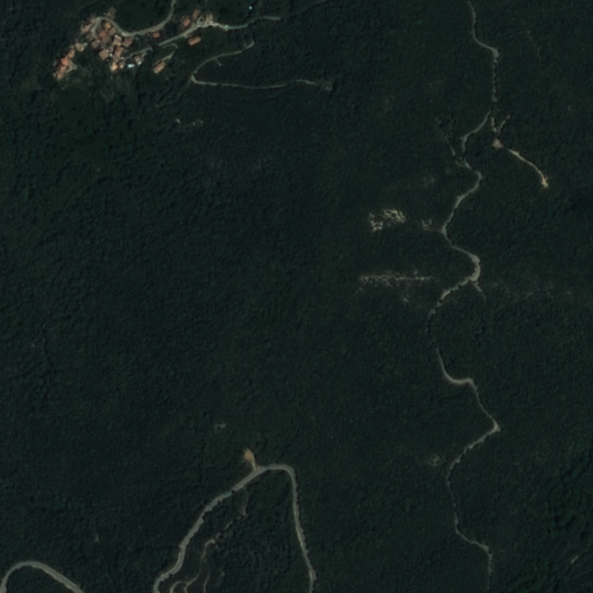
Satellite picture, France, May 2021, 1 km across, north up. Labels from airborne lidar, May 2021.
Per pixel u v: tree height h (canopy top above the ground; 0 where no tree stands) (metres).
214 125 5
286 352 18
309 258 9
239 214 17
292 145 9
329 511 8
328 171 9
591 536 15
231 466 8
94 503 12
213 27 10
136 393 8
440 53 9
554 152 7
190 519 7
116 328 13
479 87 9
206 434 9
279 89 8
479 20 11
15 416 11
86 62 8
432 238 6
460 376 16
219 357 15
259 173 7
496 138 14
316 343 12
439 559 11
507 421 9
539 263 6
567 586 16
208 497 8
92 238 11
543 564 12
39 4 17
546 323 18
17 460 9
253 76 8
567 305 6
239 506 8
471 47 15
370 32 14
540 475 11
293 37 14
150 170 9
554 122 11
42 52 12
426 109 11
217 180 5
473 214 10
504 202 9
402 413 11
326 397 9
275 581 10
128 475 6
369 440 7
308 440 13
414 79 6
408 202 7
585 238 14
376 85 9
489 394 9
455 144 7
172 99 8
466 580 9
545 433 8
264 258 17
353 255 14
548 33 13
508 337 9
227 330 13
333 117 14
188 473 11
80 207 12
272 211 17
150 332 12
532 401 12
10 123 14
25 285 9
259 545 8
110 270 11
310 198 11
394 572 11
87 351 10
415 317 7
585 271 9
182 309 17
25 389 6
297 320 11
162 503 12
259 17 8
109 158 7
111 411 12
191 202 13
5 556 10
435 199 8
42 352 13
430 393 10
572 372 12
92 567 15
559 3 13
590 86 9
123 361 13
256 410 13
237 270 16
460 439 7
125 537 10
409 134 12
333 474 9
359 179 7
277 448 12
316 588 11
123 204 14
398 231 11
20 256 12
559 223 11
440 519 7
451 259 11
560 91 7
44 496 11
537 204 9
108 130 7
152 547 8
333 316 9
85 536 10
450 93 10
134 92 0
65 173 8
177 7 6
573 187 14
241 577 6
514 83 9
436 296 6
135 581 6
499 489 11
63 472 8
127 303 11
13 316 11
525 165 7
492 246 7
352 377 8
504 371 14
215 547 12
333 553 11
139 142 11
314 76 9
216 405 13
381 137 7
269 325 17
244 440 10
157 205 11
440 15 9
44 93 13
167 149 11
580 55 8
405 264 8
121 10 5
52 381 12
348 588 13
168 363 13
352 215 6
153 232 9
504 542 6
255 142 6
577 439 7
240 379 15
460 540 13
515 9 10
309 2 19
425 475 9
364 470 6
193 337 18
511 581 14
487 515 16
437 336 12
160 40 6
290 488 11
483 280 6
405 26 12
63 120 7
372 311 7
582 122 7
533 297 8
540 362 14
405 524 7
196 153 6
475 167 13
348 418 12
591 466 12
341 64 10
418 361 15
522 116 14
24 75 10
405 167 6
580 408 9
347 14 11
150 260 15
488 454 8
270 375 16
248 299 12
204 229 12
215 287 15
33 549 12
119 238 14
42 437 8
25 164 9
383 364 11
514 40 6
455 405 8
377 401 10
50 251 14
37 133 11
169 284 15
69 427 9
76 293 13
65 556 15
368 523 14
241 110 6
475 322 14
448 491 10
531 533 11
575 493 12
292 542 8
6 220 7
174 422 13
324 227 10
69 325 14
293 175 7
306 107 7
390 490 13
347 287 10
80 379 10
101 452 7
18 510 17
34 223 18
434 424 9
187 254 13
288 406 16
